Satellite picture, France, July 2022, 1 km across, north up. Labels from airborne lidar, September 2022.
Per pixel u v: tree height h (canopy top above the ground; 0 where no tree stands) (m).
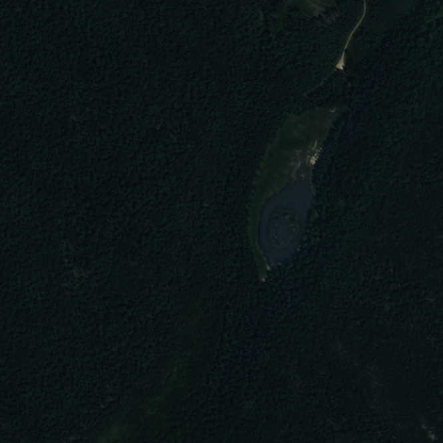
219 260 30
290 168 0
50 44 21
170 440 29
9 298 21
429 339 12
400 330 14
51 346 18
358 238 11
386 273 17
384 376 10
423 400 12
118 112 18
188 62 25
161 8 27
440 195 11
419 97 21
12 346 16
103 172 28
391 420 8
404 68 30
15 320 12
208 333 27
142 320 20
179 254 21
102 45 32
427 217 12
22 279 7
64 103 22
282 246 0
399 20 7
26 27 25
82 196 27
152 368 17
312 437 13
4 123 15
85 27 32
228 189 30
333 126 0
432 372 16
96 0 15
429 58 22
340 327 13
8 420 15
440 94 9
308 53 27
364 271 18
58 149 16
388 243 11
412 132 13
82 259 15
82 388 18
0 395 9
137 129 24
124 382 21
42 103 21
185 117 16
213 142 18
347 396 26
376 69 25
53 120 23
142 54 25
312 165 0
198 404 17
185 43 23
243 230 30
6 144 12
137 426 15
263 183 0
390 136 23
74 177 22
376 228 12
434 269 13
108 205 25
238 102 24
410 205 13
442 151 15
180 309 20
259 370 21
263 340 24
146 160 23
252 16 21
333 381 21
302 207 0
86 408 21
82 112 29
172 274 26
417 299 24
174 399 22
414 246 19
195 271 21
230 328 16
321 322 13
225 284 31
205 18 17
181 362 14
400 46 26
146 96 22
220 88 10
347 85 19
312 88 31
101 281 23
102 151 32
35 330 20
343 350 8
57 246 21
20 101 19
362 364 11
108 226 26
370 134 27
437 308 14
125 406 12
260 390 23
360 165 29
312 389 20
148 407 9
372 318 18
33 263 17
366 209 16
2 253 25
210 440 24
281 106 29
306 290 27
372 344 19
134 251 21
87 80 12
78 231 21
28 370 22
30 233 7
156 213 15
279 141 0
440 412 15
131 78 21
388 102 28
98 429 14
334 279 21
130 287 26
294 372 14
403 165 8
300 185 0
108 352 6
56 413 17
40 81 24
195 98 20
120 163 29
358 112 13
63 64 15
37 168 15
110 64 26
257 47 22
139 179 9
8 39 9
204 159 20
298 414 18
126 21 19
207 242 21
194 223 26
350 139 34
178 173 16
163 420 21
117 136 11
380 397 8
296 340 14
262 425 20
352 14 19
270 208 0
